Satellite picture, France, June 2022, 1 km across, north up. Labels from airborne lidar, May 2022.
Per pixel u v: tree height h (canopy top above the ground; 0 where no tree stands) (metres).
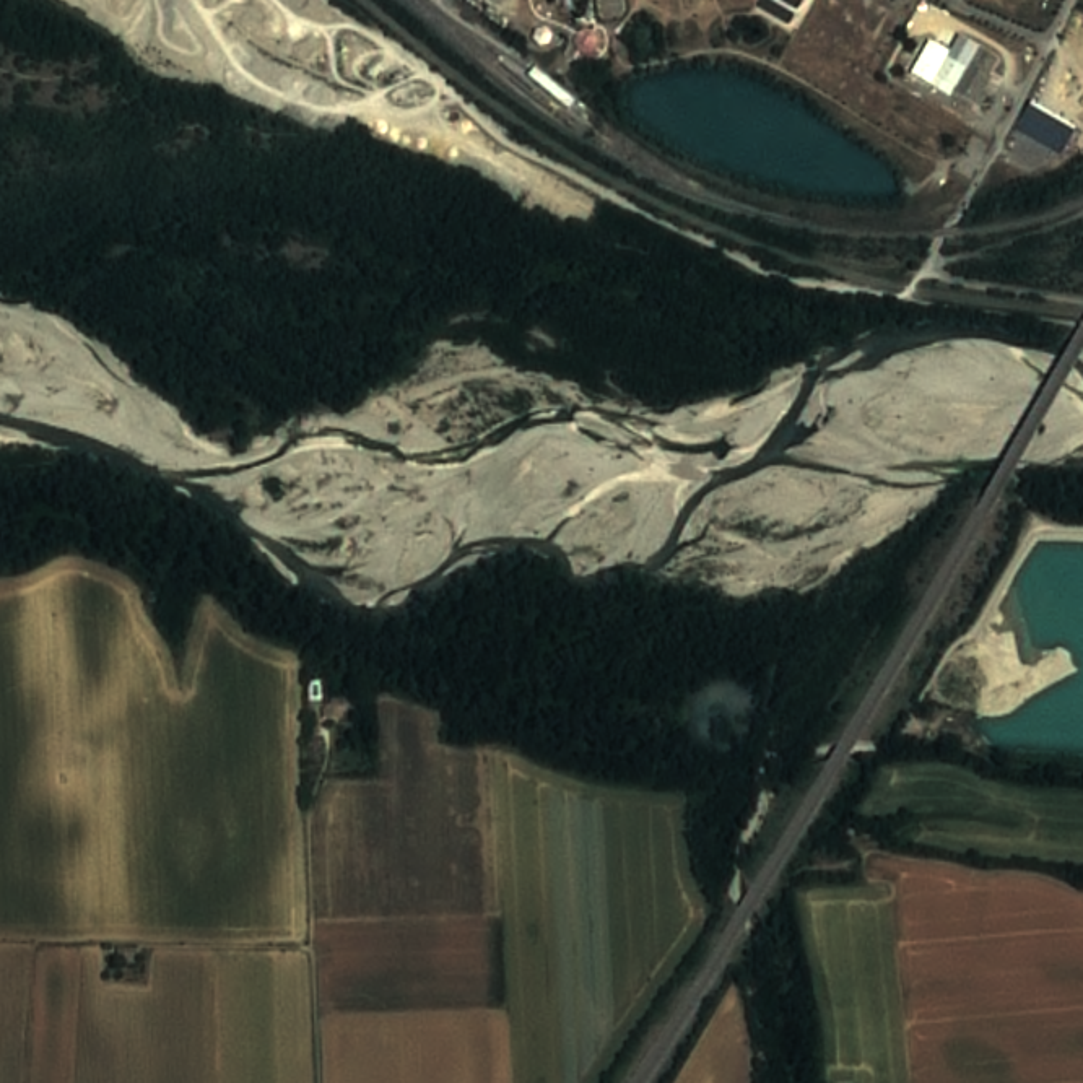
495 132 0
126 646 0
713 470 0
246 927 0
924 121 0
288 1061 0
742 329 18
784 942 17
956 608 7
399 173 9
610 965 0
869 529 0
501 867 0
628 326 16
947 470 0
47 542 23
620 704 9
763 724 20
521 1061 0
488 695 14
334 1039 0
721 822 21
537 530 0
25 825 0
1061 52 0
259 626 22
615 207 6
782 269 11
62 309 14
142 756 0
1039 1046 0
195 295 19
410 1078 0
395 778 0
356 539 0
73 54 9
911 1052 0
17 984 0
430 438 0
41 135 8
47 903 0
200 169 10
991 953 0
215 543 24
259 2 0
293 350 20
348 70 0
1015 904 0
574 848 0
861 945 0
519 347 7
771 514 0
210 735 0
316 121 0
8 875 0
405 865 0
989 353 0
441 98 0
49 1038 0
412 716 0
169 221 16
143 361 19
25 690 0
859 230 0
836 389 0
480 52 0
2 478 18
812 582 0
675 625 20
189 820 0
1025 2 0
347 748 10
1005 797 0
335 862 0
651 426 0
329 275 16
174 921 0
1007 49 0
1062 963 0
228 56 0
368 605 0
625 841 0
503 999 0
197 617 0
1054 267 7
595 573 0
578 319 15
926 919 0
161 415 0
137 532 13
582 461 0
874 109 0
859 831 14
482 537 0
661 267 16
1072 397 0
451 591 14
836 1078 0
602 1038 0
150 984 0
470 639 21
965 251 7
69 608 0
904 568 10
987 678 0
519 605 15
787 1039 21
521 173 0
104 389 0
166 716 0
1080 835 0
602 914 0
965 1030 0
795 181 0
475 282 24
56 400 0
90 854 0
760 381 11
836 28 0
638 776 16
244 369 19
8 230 15
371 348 21
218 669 0
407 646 26
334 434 0
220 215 16
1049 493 18
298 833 0
